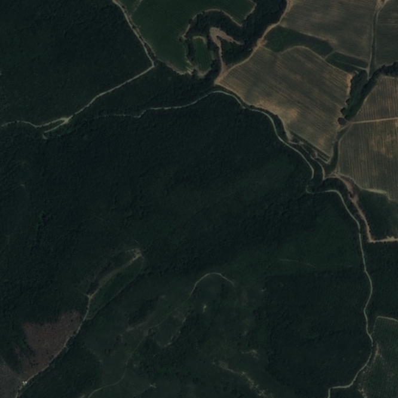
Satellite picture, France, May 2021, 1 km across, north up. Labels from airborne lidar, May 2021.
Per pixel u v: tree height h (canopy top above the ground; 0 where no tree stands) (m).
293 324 13
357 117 0
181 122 12
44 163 15
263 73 0
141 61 8
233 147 9
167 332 0
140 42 8
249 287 0
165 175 7
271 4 14
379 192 0
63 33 12
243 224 14
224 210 6
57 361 6
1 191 8
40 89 8
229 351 0
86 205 8
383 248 7
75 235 11
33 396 6
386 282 7
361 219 7
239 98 6
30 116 7
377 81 0
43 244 12
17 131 11
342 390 6
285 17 0
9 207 10
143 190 7
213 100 9
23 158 8
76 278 6
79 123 17
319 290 7
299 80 0
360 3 0
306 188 9
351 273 9
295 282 7
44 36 5
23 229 14
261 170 6
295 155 8
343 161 0
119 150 12
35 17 12
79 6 6
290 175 7
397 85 0
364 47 0
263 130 9
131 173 13
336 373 6
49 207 16
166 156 11
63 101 8
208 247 15
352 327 7
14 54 7
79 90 7
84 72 9
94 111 10
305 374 14
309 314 6
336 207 7
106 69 8
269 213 9
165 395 0
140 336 0
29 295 6
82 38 14
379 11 0
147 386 0
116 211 7
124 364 0
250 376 0
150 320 0
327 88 0
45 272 12
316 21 0
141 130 11
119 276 9
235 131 14
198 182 9
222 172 11
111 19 10
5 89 9
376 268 6
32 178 10
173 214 6
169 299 0
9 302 10
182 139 10
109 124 8
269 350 12
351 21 0
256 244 7
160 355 8
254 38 14
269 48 0
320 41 0
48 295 7
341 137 0
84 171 12
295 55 0
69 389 9
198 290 10
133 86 9
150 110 9
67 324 0
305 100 0
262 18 17
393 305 6
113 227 6
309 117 0
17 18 8
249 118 10
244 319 0
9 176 7
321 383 12
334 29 0
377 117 0
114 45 11
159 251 7
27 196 8
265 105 0
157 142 11
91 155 14
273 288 7
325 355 6
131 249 0
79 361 6
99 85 10
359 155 0
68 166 10
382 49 0
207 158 17
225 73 0
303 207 12
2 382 0
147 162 12
